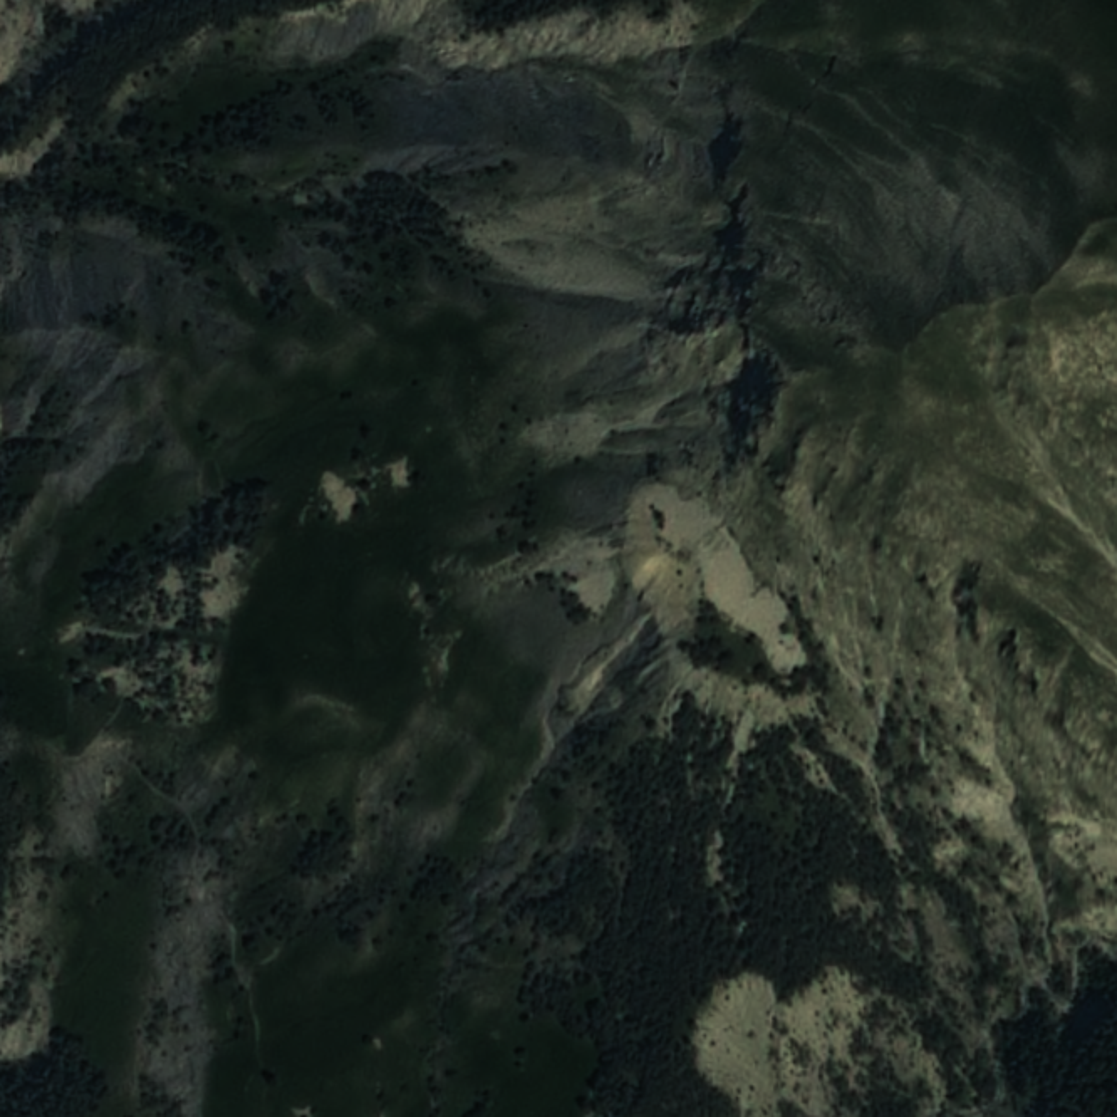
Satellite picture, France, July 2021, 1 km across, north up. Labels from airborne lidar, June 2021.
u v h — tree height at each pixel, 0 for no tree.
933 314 0
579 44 0
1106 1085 11
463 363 0
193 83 0
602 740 10
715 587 0
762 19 0
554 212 0
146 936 0
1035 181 0
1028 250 0
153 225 13
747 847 9
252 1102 0
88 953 0
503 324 0
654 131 0
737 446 0
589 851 6
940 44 0
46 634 0
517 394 0
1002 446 0
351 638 0
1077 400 0
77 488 0
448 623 0
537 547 9
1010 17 0
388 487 0
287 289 8
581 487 0
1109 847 0
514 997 0
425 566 0
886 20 0
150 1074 7
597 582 0
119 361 0
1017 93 0
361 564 0
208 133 7
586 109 0
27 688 0
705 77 0
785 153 0
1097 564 0
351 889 10
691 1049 8
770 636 0
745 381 0
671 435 0
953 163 0
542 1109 0
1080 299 0
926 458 0
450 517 0
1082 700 0
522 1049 9
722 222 0
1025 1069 19
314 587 0
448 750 0
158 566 10
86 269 0
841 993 0
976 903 9
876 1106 10
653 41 0
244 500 13
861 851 9
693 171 0
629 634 0
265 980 0
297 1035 0
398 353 0
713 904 16
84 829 0
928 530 0
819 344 0
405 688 0
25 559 0
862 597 0
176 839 8
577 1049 0
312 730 0
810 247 0
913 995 10
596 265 0
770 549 0
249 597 0
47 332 0
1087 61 0
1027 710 0
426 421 0
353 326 0
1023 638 0
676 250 0
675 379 0
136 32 15
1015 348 0
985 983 10
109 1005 0
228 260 5
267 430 0
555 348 0
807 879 8
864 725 0
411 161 0
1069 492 0
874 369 0
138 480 0
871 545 0
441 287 0
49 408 9
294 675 0
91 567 0
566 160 0
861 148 0
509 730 0
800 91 0
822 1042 0
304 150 0
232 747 0
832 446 0
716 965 14
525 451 0
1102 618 0
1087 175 0
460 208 0
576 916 17
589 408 0
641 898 16
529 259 0
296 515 0
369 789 0
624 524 0
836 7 0
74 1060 18
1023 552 0
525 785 0
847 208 0
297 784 0
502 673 0
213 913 0
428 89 0
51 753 0
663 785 8
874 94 0
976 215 0
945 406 0
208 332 0
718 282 0
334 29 0
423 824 0
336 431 0
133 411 0
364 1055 0
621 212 0
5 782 9
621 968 17
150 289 0
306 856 10
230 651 0
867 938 9
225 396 0
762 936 18
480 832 0
